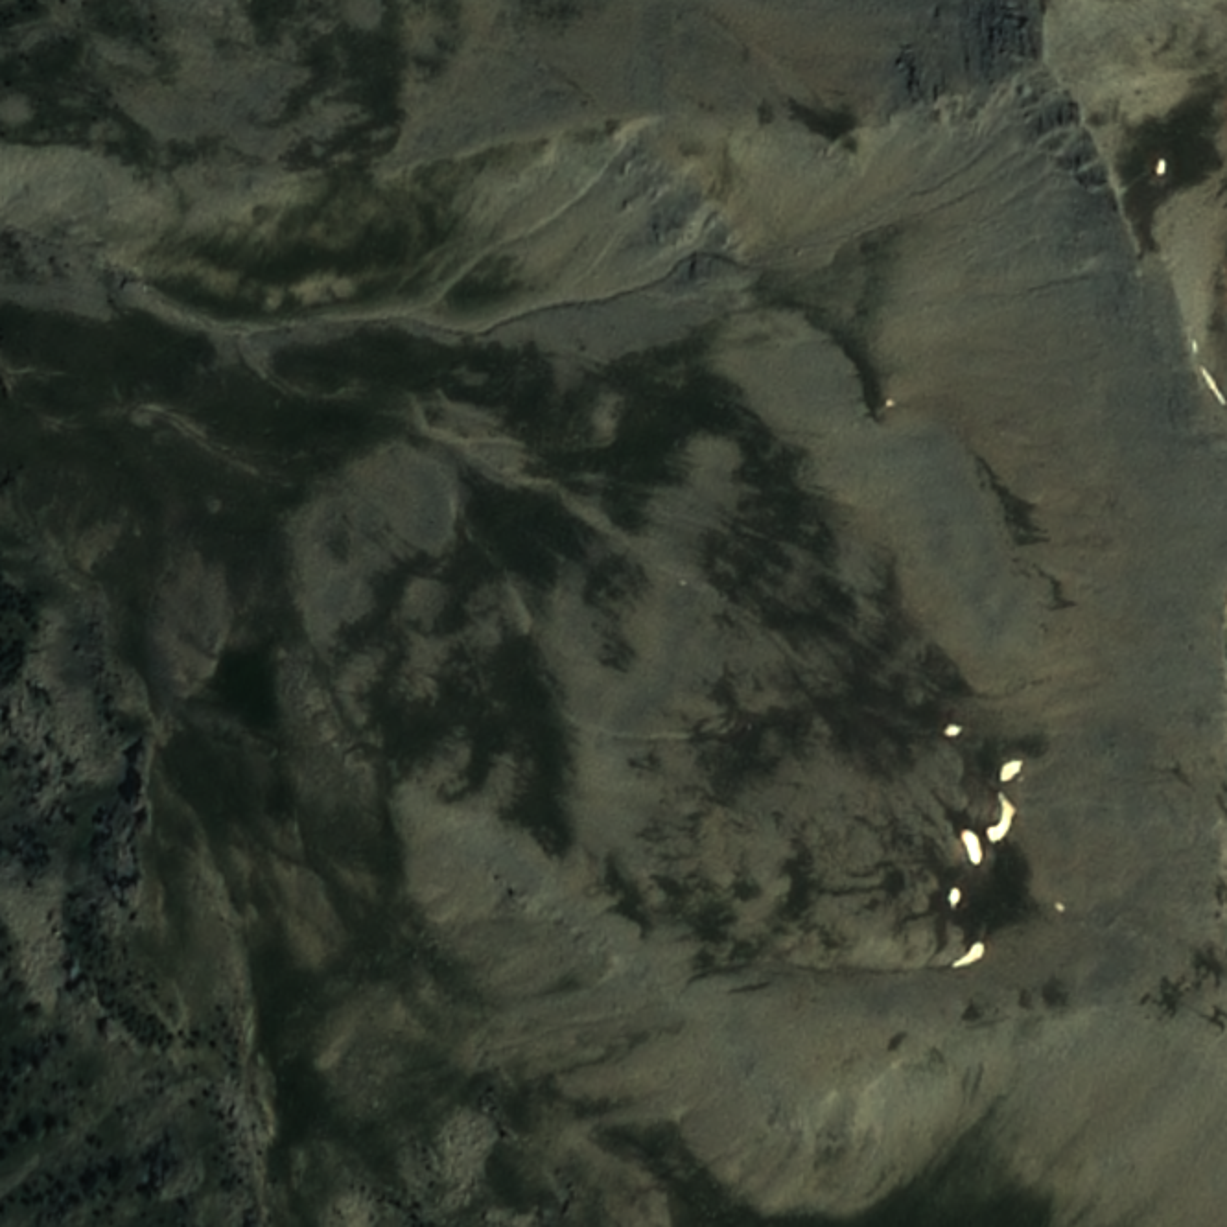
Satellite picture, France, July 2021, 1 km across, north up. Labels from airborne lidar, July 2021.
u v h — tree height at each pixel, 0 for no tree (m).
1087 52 0
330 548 0
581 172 0
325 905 0
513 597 0
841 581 0
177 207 0
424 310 0
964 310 0
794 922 0
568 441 0
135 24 0
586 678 0
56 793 0
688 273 0
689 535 0
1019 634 0
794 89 0
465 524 0
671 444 0
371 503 0
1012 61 0
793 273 0
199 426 0
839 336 0
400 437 0
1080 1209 0
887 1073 0
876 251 0
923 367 0
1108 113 0
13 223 0
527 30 0
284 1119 0
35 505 0
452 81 0
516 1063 0
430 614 0
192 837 0
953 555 0
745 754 0
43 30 0
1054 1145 0
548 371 0
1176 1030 0
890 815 0
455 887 0
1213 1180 0
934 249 0
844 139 0
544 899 0
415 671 0
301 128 0
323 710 0
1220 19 0
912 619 0
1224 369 0
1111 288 0
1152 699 0
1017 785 0
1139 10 0
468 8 0
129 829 0
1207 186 0
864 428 0
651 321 0
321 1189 0
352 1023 0
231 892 0
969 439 0
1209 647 0
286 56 0
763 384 0
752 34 0
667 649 0
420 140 0
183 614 0
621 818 0
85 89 0
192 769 0
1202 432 0
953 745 0
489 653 0
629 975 0
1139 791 0
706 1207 0
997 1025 0
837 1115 0
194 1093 0
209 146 0
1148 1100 0
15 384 0
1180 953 0
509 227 0
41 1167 0
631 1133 0
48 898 0
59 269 0
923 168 0
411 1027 0
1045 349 0
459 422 0
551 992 0
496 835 0
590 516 0
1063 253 0
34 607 7
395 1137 0
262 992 0
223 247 0
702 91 0
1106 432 0
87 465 0
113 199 0
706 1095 0
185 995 0
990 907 0
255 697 0
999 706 0
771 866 0
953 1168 0
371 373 0
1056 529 0
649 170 0
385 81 0
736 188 0
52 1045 0
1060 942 0
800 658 0
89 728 0
